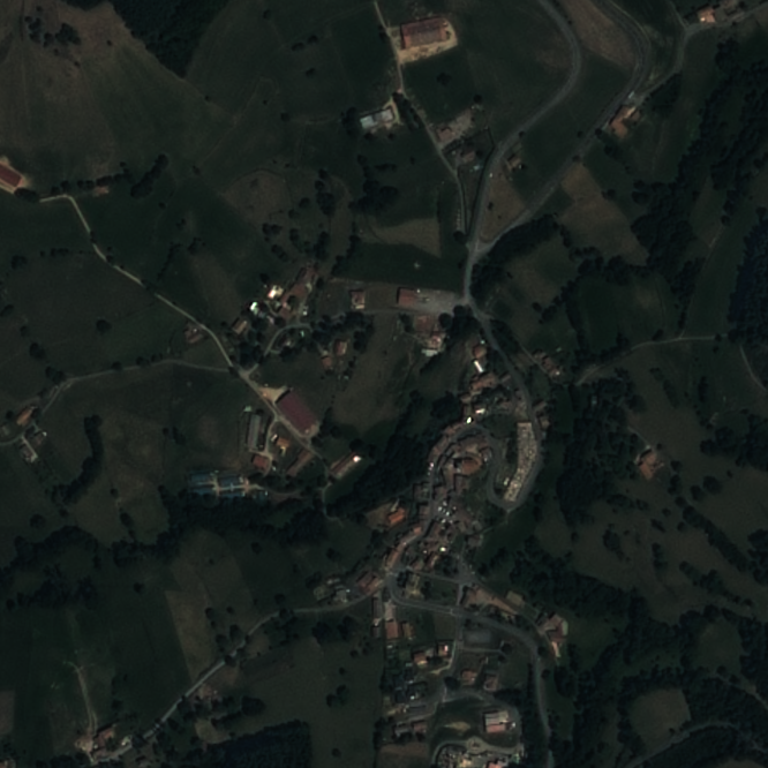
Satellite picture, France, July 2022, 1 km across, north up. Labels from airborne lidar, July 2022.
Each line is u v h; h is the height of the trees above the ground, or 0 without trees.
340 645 0
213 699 0
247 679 0
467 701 0
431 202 0
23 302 0
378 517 0
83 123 0
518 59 0
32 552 23
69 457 0
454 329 17
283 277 0
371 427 0
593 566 0
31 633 0
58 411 0
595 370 0
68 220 0
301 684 0
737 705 21
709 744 6
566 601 15
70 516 13
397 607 0
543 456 8
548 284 0
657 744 0
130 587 0
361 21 0
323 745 0
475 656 0
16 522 0
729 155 10
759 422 13
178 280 0
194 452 0
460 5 0
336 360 0
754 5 0
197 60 0
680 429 0
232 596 0
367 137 10
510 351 11
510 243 17
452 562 17
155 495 0
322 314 0
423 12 0
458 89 0
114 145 0
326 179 14
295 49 10
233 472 0
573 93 0
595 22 0
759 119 14
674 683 11
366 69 0
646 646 14
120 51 0
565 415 0
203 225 0
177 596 0
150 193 11
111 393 0
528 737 17
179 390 0
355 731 0
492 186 0
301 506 20
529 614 0
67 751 0
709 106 14
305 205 12
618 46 0
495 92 0
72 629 0
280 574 0
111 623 0
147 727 0
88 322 0
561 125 0
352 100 0
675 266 18
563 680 25
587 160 0
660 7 0
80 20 0
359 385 0
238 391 0
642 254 0
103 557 10
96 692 0
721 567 0
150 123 0
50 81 0
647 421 0
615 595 22
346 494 0
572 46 0
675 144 0
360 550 0
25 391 0
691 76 0
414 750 0
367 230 0
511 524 0
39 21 11
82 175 0
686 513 9
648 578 0
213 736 0
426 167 0
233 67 0
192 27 21
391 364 0
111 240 0
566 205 0
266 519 16
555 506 0
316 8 0
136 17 25
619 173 0
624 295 0
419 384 0
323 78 0
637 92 0
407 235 0
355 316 19
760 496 0
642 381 0
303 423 0
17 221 0
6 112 0
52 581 23
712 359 0
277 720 0
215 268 0
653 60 0
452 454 0
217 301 0
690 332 0
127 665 0
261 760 39
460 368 0
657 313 0
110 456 0
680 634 24
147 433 0
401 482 11
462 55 0
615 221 0
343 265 14
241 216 0
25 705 0
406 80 0
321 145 0
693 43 0
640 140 0
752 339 23
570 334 0
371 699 0
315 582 10
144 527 0
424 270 0
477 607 8
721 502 0
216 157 0
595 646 0
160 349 0
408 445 18
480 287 21
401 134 0
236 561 0
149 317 0
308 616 0
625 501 16
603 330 0
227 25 0
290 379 0
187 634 0
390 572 0
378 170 11
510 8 0
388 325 0
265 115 0
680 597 0
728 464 0
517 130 0
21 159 0
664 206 17
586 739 27
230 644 10
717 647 0
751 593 0
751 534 0
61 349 0
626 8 0
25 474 0
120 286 0
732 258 0
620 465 11
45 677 0
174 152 0
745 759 15
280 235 17
